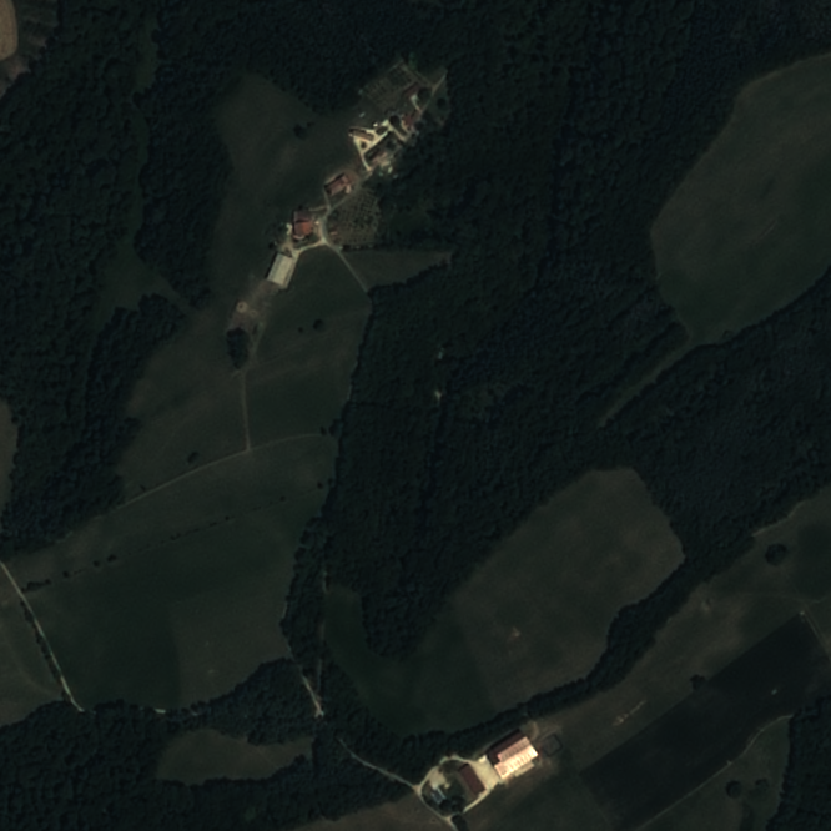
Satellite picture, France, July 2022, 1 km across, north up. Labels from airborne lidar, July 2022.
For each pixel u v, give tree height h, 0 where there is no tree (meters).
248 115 0
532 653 0
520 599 0
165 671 0
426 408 11
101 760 23
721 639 0
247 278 0
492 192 31
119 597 0
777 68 10
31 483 15
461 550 27
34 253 29
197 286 18
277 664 12
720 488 24
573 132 22
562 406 16
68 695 9
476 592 0
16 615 0
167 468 0
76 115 20
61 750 27
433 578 25
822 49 15
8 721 0
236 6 20
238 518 0
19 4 0
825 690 0
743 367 21
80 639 0
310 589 20
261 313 0
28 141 31
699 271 0
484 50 25
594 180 28
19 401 14
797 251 0
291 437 0
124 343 22
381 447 23
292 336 0
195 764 0
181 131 13
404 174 6
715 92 21
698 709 0
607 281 30
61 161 19
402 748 9
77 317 33
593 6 17
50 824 26
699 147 19
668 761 0
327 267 0
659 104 24
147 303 18
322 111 13
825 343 24
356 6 21
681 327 13
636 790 0
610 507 0
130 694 0
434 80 0
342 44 19
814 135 0
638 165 21
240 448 0
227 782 19
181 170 17
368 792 27
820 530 0
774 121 0
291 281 0
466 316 23
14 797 27
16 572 0
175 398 0
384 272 0
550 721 0
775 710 0
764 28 7
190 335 0
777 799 0
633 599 0
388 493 29
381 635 25
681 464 23
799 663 0
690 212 0
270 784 17
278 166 0
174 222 18
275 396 0
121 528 0
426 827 0
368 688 0
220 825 27
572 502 0
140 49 6
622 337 21
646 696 0
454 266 13
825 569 0
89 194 32
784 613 0
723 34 22
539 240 22
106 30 23
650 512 0
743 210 0
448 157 21
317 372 0
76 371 27
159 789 22
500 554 0
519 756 0
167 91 28
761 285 0
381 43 20
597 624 0
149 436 0
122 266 0
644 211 23
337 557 24
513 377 18
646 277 19
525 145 27
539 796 0
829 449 21
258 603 0
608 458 14
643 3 24
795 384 23
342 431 10
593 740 0
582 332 22
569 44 20
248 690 21
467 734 13
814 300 17
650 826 0
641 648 14
